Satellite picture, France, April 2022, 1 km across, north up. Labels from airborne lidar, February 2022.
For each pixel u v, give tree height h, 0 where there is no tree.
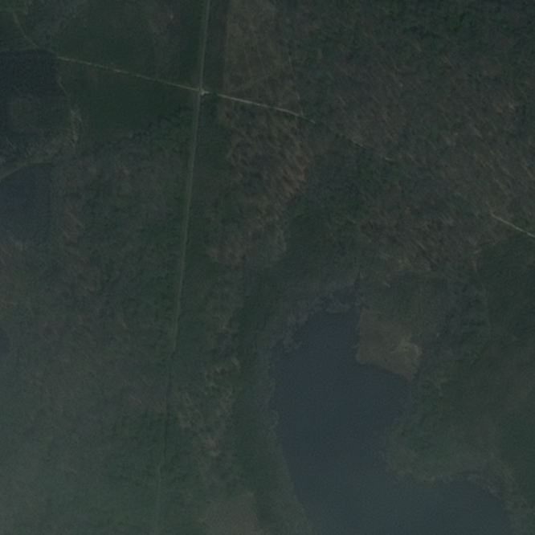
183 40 7
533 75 24
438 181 29
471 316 27
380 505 0
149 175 28
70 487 28
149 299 29
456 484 0
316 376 0
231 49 0
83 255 27
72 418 24
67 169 20
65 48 8
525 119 25
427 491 0
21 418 19
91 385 26
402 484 0
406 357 0
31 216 0
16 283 26
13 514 26
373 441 0
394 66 29
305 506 0
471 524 0
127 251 27
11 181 0
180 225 20
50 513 28
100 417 27
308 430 0
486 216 28
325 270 16
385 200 29
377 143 28
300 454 0
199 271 13
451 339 20
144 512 29
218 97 7
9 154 24
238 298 30
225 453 20
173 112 9
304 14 28
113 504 29
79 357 29
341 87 31
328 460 0
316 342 0
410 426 24
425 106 27
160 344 24
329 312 0
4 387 13
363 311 0
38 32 28
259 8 0
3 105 19
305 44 28
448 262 26
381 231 28
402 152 26
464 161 29
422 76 31
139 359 28
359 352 0
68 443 25
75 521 28
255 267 23
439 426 24
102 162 26
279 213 28
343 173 27
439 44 29
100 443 28
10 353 0
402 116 27
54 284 23
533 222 25
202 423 27
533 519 17
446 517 0
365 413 0
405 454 23
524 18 28
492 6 29
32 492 25
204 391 28
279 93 0
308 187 21
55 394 28
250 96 0
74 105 8
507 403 10
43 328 23
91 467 28
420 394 15
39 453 28
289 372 0
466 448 25
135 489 21
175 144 26
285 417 0
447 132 30
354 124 30
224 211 29
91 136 6
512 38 27
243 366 12
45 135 15
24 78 21
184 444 25
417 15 26
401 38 29
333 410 0
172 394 24
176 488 26
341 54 25
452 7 25
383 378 0
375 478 0
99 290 24
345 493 0
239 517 0
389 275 0
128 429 27
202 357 18
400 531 0
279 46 0
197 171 11
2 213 0
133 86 8
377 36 30
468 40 26
